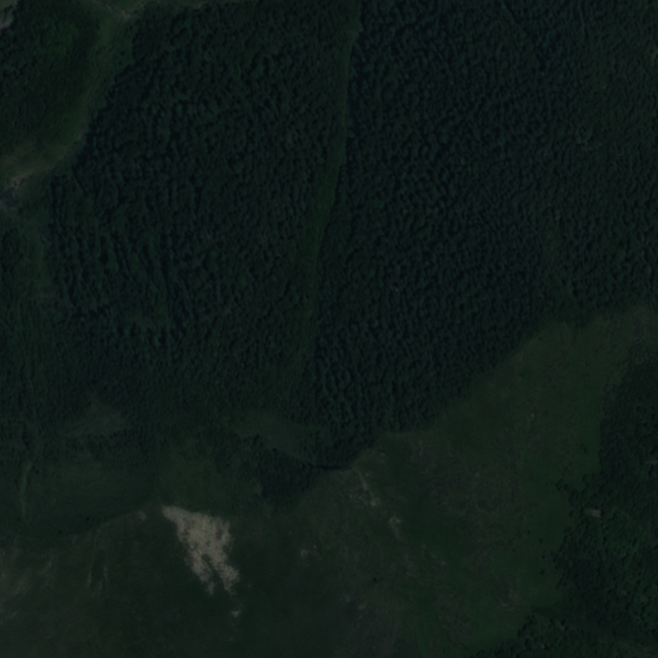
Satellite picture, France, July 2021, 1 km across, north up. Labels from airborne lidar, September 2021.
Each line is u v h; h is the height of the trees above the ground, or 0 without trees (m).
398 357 17
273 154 22
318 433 9
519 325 18
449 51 23
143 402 6
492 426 0
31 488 0
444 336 14
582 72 8
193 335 8
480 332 15
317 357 9
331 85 15
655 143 15
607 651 25
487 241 19
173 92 16
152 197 26
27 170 0
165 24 14
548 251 6
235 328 18
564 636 15
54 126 9
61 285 11
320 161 31
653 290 15
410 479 0
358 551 0
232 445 7
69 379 6
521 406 0
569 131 16
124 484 0
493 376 0
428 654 0
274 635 0
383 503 0
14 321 8
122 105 18
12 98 22
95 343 10
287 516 0
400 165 28
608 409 9
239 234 26
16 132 17
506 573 0
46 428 6
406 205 28
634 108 19
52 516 0
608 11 16
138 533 0
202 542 0
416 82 25
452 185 14
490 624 0
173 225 24
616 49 11
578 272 21
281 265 24
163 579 0
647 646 15
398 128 29
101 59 0
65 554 0
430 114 28
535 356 0
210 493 0
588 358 0
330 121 26
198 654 0
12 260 15
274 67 29
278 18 14
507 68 19
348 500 0
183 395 8
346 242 16
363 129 21
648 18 21
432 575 0
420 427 10
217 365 19
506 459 0
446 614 0
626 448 9
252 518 0
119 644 0
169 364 18
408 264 21
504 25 15
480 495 0
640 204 25
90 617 0
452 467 0
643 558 12
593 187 21
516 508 0
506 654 24
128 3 0
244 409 7
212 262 21
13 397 13
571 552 10
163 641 0
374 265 24
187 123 13
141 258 10
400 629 0
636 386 12
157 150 17
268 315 18
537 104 21
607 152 14
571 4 20
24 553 0
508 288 19
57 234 10
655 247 20
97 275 16
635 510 6
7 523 0
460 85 21
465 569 0
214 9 15
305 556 0
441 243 19
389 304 22
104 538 0
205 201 32
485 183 14
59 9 19
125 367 9
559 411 0
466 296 24
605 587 17
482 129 16
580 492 16
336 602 0
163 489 0
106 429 0
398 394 19
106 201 26
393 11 11
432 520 0
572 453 0
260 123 16
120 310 7
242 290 15
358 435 9
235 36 16
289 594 0
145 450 5
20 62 32
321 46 7
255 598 0
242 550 0
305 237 27
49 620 0
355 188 26
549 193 25
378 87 35
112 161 22
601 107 14
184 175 26
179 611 0
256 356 13
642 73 19
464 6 10
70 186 18
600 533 21
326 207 10
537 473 0
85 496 0
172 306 7
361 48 10
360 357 20
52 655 0
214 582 0
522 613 0
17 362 11
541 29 13
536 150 12
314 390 10
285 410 6
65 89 20
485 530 0
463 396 8
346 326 23
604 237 23
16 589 0
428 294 22
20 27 20
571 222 22
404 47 24
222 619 0
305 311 12
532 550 0
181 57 21
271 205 30
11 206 0
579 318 15
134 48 11
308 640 0
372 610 0
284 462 10
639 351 7
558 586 7
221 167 28
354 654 0
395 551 0
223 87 6
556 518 0
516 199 17
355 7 15
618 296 23
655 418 21
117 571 0
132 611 0
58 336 6
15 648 0
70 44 22
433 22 14
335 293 16
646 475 6
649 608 20
